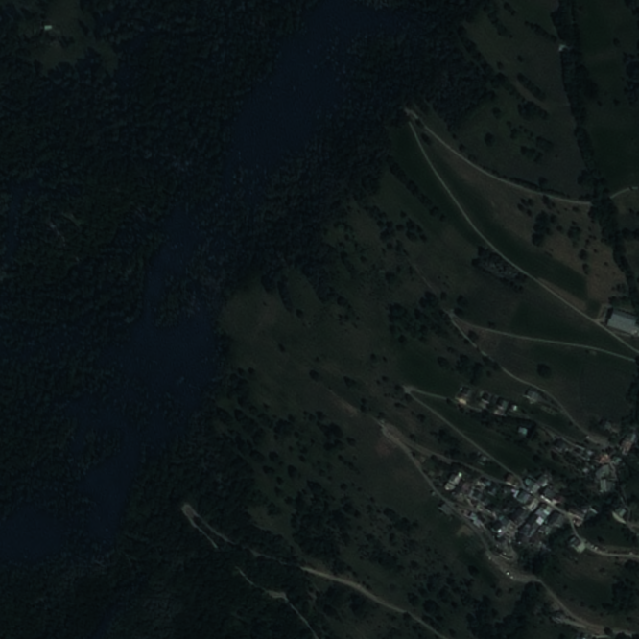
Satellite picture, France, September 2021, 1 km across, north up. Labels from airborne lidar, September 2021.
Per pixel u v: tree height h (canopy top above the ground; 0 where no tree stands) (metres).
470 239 0
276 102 20
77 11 0
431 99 16
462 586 9
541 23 0
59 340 16
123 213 21
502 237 0
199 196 26
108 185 26
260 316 0
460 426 0
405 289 0
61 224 20
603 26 0
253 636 23
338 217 11
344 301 9
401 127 13
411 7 23
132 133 32
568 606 0
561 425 0
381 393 0
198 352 10
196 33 18
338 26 18
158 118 27
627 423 8
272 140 19
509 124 7
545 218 13
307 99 13
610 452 7
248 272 21
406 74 22
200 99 30
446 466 7
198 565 16
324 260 19
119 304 25
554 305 0
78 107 21
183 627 28
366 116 19
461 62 21
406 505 0
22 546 21
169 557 21
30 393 27
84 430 19
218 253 14
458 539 0
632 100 14
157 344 17
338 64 19
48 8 10
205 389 21
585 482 6
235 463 18
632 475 8
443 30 22
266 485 0
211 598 25
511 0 0
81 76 7
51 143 18
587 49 0
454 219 0
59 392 19
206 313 20
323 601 8
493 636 16
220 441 16
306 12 15
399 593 13
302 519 8
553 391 0
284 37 28
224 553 20
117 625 16
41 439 18
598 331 0
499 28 15
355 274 13
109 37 21
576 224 9
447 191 0
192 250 7
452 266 0
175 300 15
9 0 0
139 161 7
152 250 17
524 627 23
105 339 33
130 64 29
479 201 0
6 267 11
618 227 9
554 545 20
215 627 32
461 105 18
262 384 0
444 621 13
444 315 10
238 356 0
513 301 0
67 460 26
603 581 0
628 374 0
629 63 8
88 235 24
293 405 0
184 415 12
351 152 23
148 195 21
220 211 20
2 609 29
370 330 0
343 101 28
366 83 23
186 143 31
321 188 20
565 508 6
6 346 22
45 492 24
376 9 20
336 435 18
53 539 20
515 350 0
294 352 0
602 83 0
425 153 0
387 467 0
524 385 0
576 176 0
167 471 15
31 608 29
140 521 22
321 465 8
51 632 35
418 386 0
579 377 0
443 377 0
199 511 14
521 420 7
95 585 27
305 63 12
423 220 0
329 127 24
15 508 30
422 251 0
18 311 25
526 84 16
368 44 18
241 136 20
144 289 11
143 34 17
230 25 27
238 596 26
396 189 0
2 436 24
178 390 13
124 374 20
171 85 28
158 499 24
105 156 27
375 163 10
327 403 0
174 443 18
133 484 31
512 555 0
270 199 16
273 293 13
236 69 34
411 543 9
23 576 22
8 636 28
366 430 0
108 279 25
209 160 20
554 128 0
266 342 0
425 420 12
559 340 0
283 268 20
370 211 9
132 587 25
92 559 19
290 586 23
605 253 0
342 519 17
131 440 24
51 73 0
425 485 0
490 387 0
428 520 0
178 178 29
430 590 13
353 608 6
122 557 20
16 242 14
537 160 12
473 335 10
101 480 16
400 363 0
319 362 9
